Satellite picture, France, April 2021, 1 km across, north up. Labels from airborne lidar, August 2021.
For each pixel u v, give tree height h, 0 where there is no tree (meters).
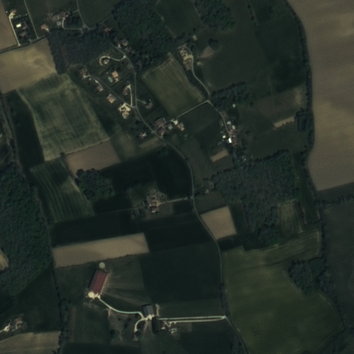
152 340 0
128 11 21
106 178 16
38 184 0
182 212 0
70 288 0
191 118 0
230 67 0
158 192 0
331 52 0
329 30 0
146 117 0
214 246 0
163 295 0
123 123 0
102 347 0
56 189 0
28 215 28
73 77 0
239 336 0
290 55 0
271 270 0
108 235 0
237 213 0
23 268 19
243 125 0
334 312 0
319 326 0
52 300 0
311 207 0
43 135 0
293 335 0
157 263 0
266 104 0
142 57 11
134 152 0
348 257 0
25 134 0
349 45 0
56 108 0
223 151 0
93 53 18
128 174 0
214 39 0
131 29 23
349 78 0
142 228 0
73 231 0
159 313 0
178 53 12
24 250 23
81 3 0
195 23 0
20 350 0
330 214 0
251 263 0
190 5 0
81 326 0
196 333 0
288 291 0
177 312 0
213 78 0
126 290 0
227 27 20
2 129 0
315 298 0
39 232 27
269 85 0
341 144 0
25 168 0
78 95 0
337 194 0
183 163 0
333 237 0
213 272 0
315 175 0
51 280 0
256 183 20
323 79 0
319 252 0
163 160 0
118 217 0
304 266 19
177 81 0
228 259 0
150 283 0
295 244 0
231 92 15
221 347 0
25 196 23
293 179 27
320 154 0
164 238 0
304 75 0
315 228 0
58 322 0
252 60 0
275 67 0
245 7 0
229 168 0
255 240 0
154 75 0
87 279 0
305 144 0
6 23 0
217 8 22
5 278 21
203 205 0
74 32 7
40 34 0
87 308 0
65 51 16
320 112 0
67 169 0
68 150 0
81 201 0
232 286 0
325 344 0
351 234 0
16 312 0
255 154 0
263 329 0
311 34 0
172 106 0
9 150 0
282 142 0
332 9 0
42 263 27
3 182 23
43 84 0
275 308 0
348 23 0
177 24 0
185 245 0
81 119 0
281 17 0
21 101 0
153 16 22
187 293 0
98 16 0
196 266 0
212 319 0
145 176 0
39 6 0
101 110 0
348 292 0
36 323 0
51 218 0
